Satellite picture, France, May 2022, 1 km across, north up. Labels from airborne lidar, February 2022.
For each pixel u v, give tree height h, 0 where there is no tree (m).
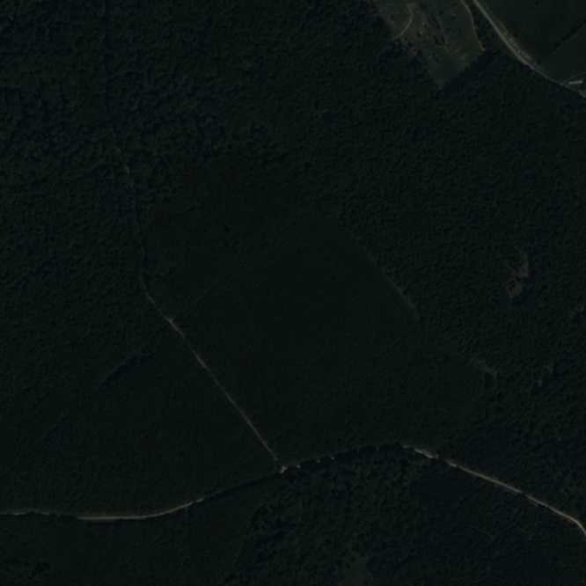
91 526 13
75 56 35
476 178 25
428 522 16
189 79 35
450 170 25
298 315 18
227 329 19
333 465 33
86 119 34
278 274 18
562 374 20
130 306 25
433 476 16
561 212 24
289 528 29
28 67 36
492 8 0
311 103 22
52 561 15
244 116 32
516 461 13
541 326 22
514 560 12
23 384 25
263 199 17
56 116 39
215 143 33
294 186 14
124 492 20
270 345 18
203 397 18
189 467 17
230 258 16
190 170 9
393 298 15
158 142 30
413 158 25
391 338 16
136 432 20
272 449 14
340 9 23
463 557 11
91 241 26
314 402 16
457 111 24
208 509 16
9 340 26
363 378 18
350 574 0
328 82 23
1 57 33
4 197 30
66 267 26
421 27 0
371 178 24
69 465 19
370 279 19
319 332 18
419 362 16
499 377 14
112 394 16
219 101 34
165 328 15
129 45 34
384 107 24
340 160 23
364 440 19
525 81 27
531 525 8
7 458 18
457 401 17
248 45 24
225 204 15
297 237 16
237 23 24
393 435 16
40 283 25
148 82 28
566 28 0
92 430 20
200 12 23
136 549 17
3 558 14
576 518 0
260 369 17
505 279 22
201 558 17
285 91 25
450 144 27
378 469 37
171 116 34
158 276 28
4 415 24
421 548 15
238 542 15
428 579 16
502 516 10
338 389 16
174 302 17
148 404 21
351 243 17
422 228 25
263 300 18
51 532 19
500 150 23
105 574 16
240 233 17
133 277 26
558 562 10
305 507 32
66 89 36
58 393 21
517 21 0
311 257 17
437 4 0
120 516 0
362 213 22
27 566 29
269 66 25
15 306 25
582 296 19
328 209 20
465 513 10
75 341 25
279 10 26
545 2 0
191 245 18
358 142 27
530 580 9
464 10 0
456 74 0
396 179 23
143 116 29
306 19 23
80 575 17
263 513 23
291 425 17
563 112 27
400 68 27
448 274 22
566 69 0
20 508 17
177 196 18
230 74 25
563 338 22
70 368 21
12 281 25
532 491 11
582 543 12
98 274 27
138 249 23
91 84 32
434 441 17
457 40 0
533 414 19
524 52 8
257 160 18
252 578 28
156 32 29
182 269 15
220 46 24
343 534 30
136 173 28
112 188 26
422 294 20
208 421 18
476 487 8
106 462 18
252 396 17
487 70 26
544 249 24
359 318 16
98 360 17
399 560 18
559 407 17
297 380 16
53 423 16
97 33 31
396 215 24
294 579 31
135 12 30
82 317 26
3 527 14
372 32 24
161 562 17
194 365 16
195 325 17
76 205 25
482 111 27
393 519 17
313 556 30
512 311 23
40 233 25
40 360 26
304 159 22
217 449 18
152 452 18
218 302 17
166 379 16
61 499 21
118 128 27
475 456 12
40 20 29
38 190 26
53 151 16
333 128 25
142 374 17
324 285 16
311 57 25
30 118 37
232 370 17
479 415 17
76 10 33
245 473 18
